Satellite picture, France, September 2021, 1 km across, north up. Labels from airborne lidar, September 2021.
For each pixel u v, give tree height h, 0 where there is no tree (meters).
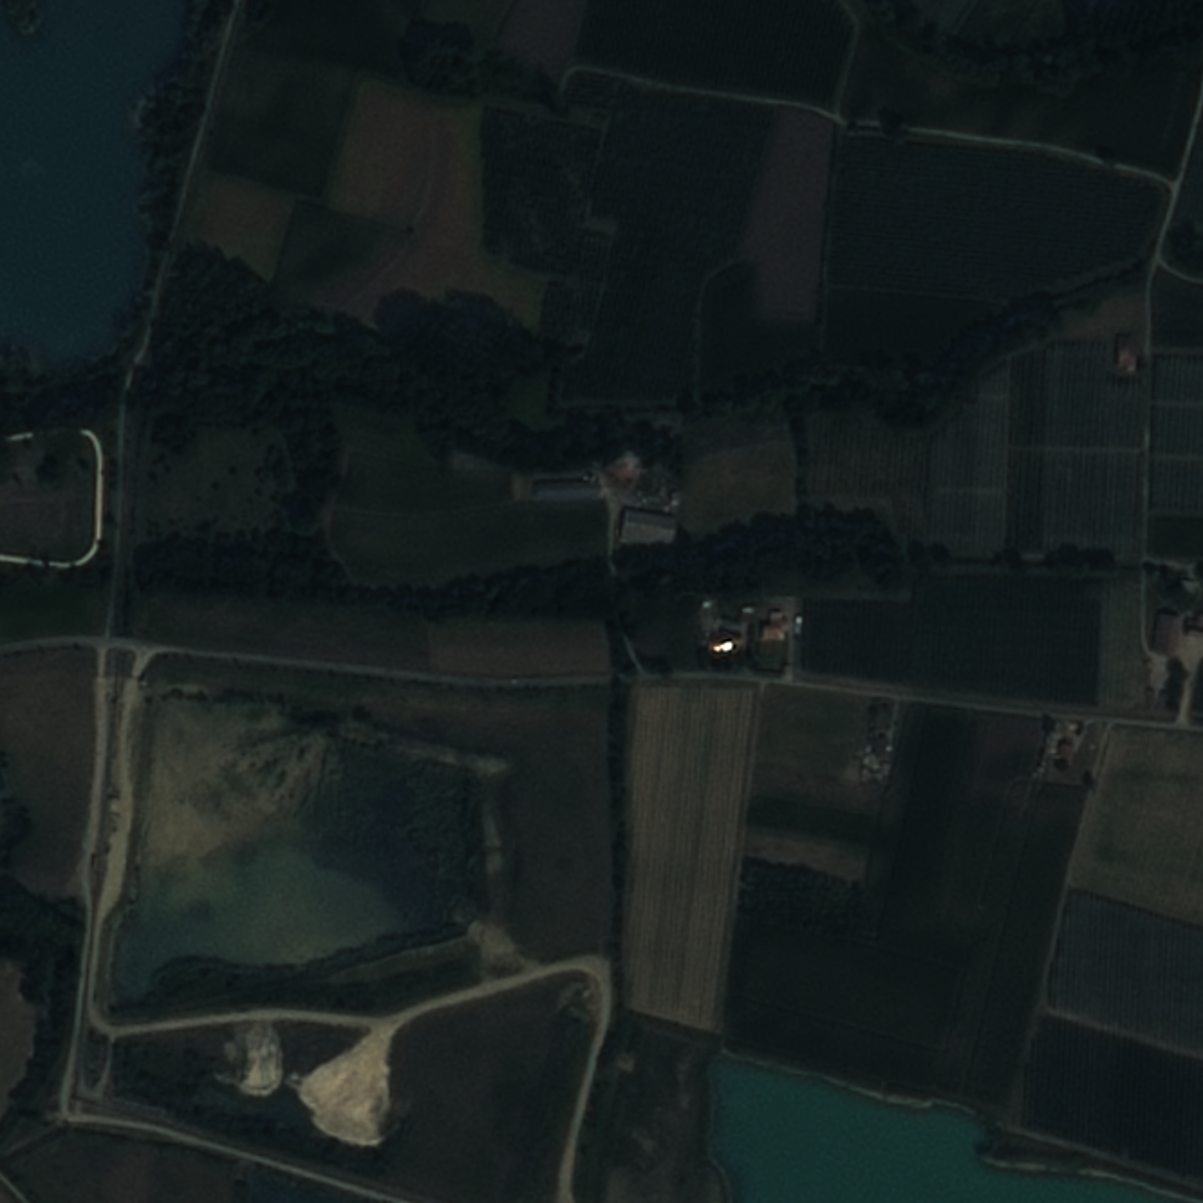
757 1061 0
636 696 0
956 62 25
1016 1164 0
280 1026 0
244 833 0
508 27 0
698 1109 0
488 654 0
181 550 15
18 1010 0
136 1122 0
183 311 11
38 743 0
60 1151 0
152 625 0
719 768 0
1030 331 17
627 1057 0
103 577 9
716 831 0
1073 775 0
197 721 0
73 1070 0
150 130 9
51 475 9
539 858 0
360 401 15
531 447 19
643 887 0
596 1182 0
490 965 0
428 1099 0
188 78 15
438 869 7
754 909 10
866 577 8
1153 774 0
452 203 0
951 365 16
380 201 0
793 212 0
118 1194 0
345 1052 0
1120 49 19
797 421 12
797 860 0
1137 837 0
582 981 0
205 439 0
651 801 0
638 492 0
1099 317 0
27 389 20
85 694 0
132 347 7
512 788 0
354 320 0
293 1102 0
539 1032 0
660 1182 0
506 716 0
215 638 0
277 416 12
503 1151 0
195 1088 7
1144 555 0
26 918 28
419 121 0
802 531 18
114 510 0
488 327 34
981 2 0
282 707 10
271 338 17
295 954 0
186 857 0
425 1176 0
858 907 9
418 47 24
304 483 18
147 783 0
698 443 0
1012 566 17
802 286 0
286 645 0
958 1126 0
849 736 0
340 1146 6
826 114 0
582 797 0
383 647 0
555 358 18
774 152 0
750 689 0
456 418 32
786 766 0
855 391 19
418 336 37
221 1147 0
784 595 0
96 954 0
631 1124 0
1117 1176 0
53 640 0
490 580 7
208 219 0
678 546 16
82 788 0
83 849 0
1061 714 0
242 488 0
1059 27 0
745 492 0
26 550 0
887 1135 0
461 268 0
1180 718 0
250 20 7
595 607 17
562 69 0
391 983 0
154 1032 0
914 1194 0
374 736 0
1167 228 0
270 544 8
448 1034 0
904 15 31
